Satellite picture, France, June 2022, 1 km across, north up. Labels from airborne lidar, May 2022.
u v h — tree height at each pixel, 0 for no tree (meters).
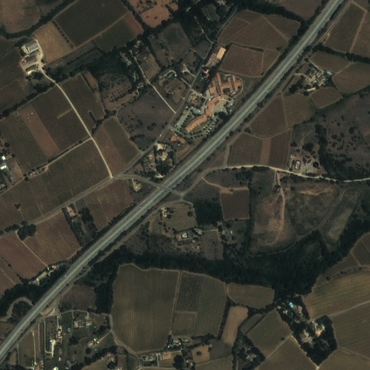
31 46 0
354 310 0
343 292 0
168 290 0
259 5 10
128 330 0
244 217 0
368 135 0
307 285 17
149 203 0
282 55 7
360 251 0
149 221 7
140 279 0
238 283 14
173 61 6
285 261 11
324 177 8
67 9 0
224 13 18
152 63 0
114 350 11
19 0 0
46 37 0
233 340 0
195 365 8
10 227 10
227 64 0
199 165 0
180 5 8
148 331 0
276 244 0
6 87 0
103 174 0
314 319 0
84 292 0
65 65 0
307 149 8
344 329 0
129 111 0
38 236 0
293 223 0
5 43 0
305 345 14
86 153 0
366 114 0
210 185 0
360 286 0
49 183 0
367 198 0
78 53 0
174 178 0
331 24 0
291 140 0
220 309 0
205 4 18
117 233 0
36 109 0
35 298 6
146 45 7
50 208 0
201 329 0
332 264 16
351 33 0
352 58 10
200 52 0
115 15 0
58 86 0
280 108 0
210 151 0
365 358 0
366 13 0
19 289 18
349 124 0
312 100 0
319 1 0
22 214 0
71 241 0
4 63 0
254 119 0
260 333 0
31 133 0
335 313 0
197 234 9
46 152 0
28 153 0
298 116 0
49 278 10
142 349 0
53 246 0
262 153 0
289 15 16
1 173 7
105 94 0
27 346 0
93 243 8
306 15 0
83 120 0
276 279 10
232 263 6
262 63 0
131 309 0
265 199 0
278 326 0
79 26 0
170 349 6
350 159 8
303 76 6
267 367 0
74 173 0
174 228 6
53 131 0
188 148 0
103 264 13
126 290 0
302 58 8
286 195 0
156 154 13
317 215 0
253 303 0
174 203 0
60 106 0
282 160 0
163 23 14
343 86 0
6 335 6
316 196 0
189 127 0
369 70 0
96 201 0
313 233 7
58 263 7
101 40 0
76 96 0
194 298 0
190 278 0
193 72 11
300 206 0
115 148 0
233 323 0
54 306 0
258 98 0
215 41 7
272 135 0
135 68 8
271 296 0
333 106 0
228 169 8
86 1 0
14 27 0
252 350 10
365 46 0
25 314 9
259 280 11
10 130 0
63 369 0
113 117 0
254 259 8
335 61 0
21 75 0
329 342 14
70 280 0
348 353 0
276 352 0
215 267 6
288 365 0
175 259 6
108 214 0
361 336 0
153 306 0
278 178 0
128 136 0
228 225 11
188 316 0
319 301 0
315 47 9
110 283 12
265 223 0
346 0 0
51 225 0
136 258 9
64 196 0
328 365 0
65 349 0
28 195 0
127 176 0
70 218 8
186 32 6
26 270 0
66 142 0
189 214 12
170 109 0
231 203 0
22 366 8
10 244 0
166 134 0
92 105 0
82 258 0
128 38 0
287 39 0
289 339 0
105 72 7
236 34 0
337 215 0
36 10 0
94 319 0
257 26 0
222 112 6
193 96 0
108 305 9
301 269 15
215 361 0
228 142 0
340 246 14
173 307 0
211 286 0
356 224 11
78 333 0
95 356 7
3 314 6
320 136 8
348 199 0
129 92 10
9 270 0
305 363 0
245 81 0
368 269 0
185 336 0
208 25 6
